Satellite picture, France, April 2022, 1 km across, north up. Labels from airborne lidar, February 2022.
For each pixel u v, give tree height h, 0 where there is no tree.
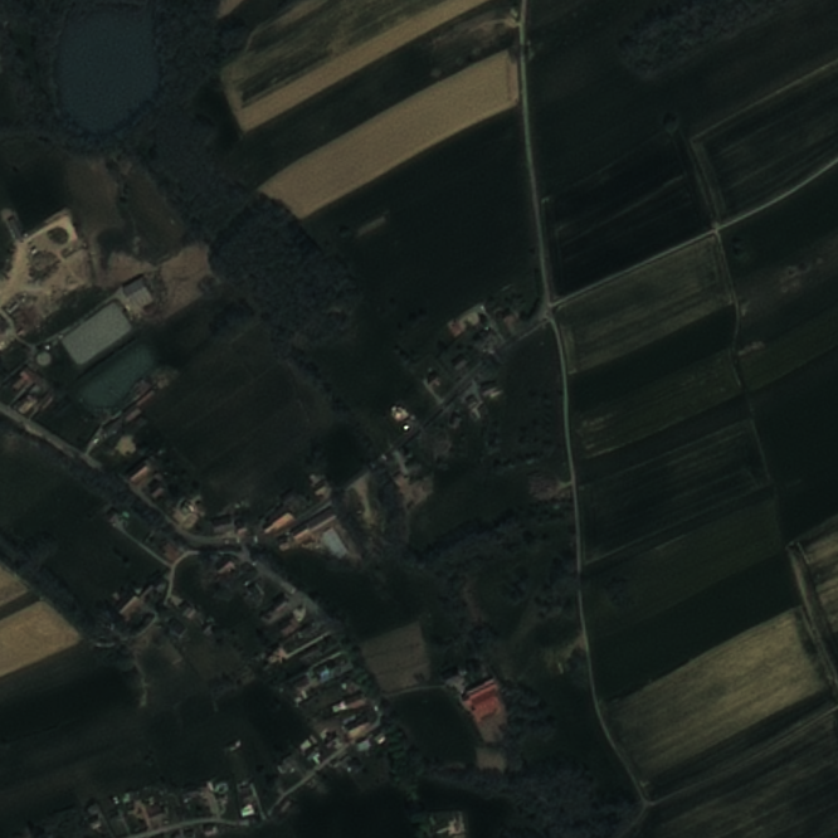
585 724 0
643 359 0
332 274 26
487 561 29
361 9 0
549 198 0
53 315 0
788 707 0
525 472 0
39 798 0
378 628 0
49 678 0
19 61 17
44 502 0
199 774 0
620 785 0
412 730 0
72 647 0
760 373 0
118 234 0
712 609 0
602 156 0
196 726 0
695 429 0
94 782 0
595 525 0
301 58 0
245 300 0
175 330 0
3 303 0
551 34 0
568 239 0
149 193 0
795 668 0
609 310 0
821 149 0
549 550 0
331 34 0
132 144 21
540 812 21
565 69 0
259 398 0
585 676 21
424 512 0
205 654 0
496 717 0
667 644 0
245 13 0
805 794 0
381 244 0
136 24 0
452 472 0
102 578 0
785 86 0
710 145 0
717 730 0
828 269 0
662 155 0
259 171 0
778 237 0
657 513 0
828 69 0
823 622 0
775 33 0
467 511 0
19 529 0
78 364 0
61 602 21
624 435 0
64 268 0
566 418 0
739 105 0
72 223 0
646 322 0
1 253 0
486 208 0
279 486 0
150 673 0
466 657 0
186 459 0
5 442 0
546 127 0
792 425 0
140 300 0
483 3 0
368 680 16
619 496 0
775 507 0
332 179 0
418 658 0
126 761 0
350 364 0
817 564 0
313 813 0
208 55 25
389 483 16
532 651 0
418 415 0
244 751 0
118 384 0
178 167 23
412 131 0
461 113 0
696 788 0
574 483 0
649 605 0
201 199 19
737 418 0
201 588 0
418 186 0
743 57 0
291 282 26
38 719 0
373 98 0
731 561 0
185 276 0
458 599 16
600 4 0
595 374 0
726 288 0
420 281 0
